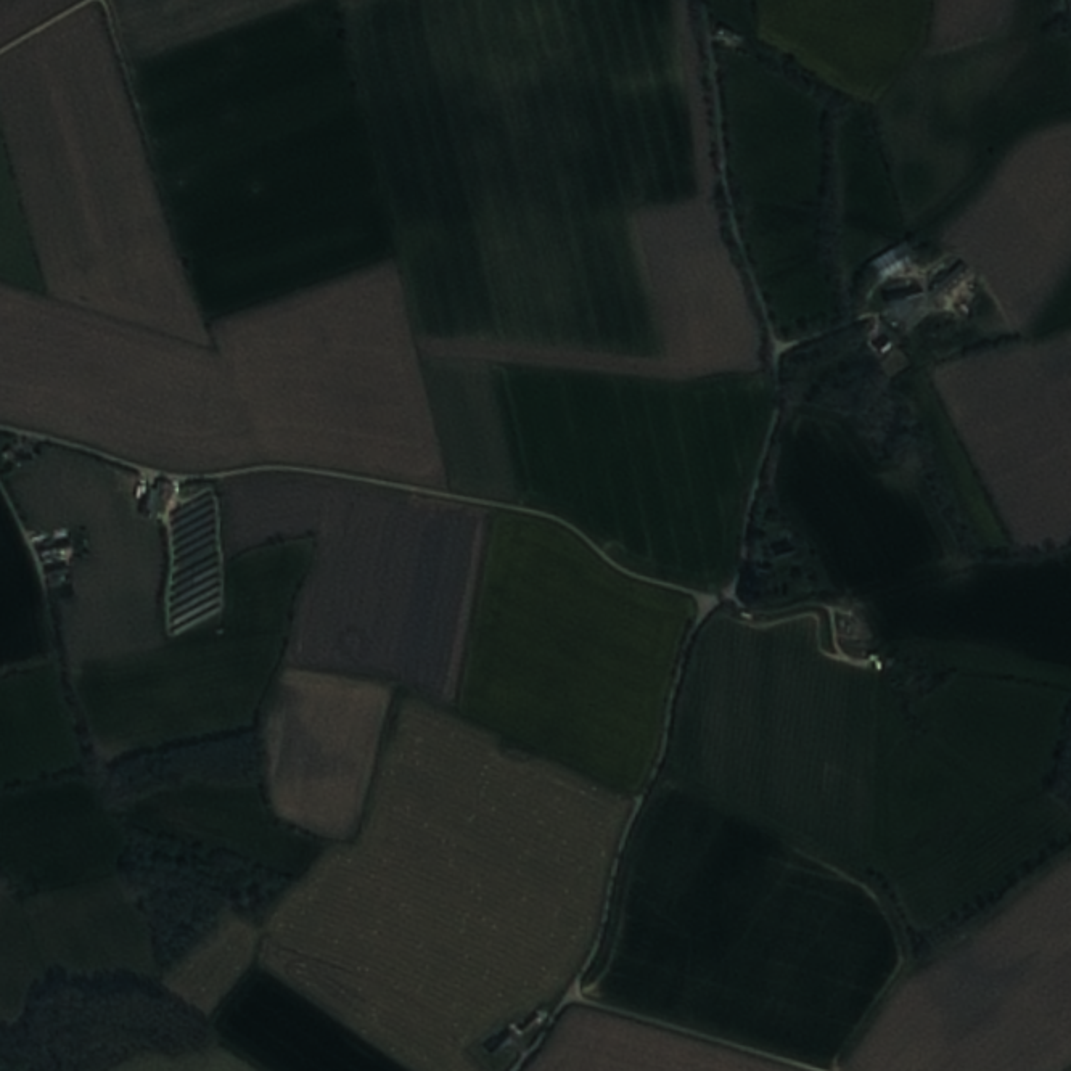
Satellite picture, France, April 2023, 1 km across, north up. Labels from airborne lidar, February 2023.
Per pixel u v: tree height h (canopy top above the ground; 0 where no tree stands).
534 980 0
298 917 0
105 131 0
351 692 0
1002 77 0
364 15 0
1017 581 0
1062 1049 0
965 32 0
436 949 0
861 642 0
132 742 0
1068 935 0
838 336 14
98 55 0
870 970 0
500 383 0
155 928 10
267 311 0
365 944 0
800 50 0
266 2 0
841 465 0
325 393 0
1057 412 0
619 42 0
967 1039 0
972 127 0
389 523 0
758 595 17
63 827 0
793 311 0
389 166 0
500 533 0
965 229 0
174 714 0
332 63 0
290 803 0
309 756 0
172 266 0
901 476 0
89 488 0
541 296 0
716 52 10
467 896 0
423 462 0
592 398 0
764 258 0
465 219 0
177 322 0
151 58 0
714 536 0
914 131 0
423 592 0
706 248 0
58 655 12
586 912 0
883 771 0
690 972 0
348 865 0
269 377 0
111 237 0
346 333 0
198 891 16
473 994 0
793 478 0
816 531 0
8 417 0
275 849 0
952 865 0
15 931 0
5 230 0
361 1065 0
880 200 0
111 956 0
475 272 0
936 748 0
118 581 0
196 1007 0
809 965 0
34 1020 16
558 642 0
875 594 0
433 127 0
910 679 12
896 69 0
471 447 0
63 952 0
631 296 0
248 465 0
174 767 13
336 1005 0
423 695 0
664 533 0
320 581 0
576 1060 0
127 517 0
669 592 0
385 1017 0
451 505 0
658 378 0
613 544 0
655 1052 0
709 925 0
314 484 0
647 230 0
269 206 0
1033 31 0
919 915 0
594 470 0
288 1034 0
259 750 11
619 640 0
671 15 0
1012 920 0
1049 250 0
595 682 0
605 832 0
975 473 9
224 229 0
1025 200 0
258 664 0
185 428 0
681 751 0
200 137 0
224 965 0
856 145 0
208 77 0
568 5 0
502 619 0
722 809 0
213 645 0
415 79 0
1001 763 0
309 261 0
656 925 0
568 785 0
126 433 0
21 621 0
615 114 0
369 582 0
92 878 0
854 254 0
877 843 0
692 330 0
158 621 0
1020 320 0
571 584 0
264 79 0
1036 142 0
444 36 0
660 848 0
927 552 0
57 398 0
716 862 0
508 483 0
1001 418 0
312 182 0
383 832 0
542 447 0
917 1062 0
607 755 0
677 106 0
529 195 0
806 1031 0
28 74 0
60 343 0
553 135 0
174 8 0
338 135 0
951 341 0
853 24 0
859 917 0
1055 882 0
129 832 6
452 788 0
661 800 0
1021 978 0
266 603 0
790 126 0
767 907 0
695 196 0
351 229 0
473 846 0
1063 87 0
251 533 0
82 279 0
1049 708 0
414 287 0
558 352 0
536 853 0
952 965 0
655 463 0
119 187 0
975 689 0
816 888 0
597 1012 0
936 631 0
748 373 0
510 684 0
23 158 0
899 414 19
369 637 0
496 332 0
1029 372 0
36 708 0
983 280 0
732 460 0
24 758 0
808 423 0
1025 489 0
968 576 0
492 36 0
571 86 0
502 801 0
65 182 0
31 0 0
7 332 0
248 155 0
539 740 0
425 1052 0
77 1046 21
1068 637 0
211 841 0
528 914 0
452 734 0
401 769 0
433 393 0
